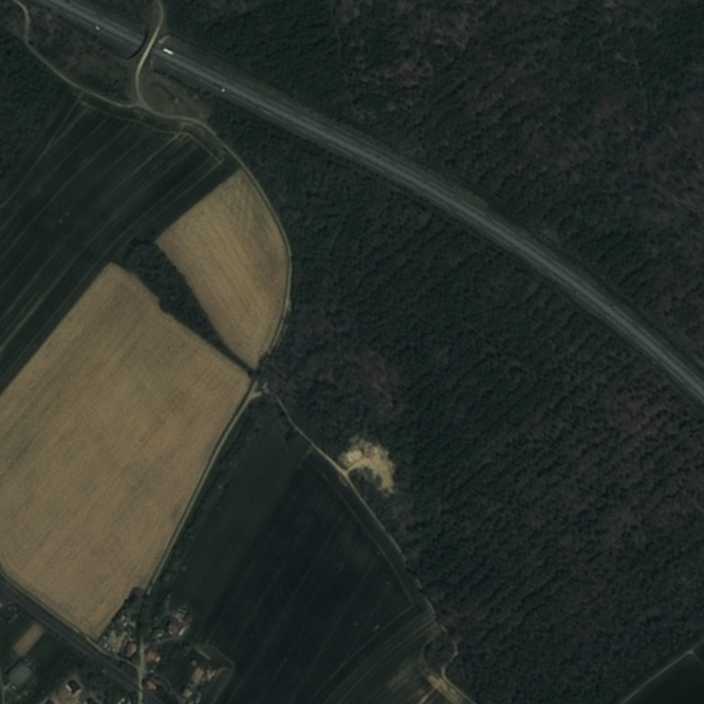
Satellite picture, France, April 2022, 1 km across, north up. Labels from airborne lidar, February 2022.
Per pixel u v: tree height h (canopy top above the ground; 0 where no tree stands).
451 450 15
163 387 0
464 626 7
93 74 0
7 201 0
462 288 6
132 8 0
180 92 0
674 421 14
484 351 15
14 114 17
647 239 13
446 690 0
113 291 0
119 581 0
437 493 12
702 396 0
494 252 11
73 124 0
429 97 12
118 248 0
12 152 11
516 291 14
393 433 15
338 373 11
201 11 20
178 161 0
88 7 0
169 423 0
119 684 0
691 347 0
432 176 0
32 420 0
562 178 22
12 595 0
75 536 0
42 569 0
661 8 21
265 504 0
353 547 0
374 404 21
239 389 0
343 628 0
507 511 11
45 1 0
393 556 0
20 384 0
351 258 14
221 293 0
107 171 0
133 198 0
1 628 0
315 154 11
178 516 0
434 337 16
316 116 0
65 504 0
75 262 0
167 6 0
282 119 0
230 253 0
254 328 0
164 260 21
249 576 0
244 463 0
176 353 0
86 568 0
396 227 6
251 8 26
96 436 0
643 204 25
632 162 10
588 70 20
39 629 0
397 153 0
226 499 0
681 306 25
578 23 14
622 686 9
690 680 0
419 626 0
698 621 14
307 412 15
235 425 0
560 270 0
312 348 9
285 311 0
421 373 15
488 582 12
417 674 0
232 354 0
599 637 8
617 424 11
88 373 0
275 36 10
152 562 0
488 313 11
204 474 0
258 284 0
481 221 0
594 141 25
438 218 10
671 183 12
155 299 0
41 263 0
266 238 0
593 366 9
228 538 0
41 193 0
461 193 0
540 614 12
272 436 0
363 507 0
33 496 0
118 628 7
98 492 0
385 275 14
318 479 0
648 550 7
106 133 0
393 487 0
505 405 17
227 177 10
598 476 11
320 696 0
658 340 0
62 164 0
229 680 0
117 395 0
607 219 25
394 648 0
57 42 0
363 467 0
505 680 18
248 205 0
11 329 0
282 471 0
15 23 0
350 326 21
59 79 6
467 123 6
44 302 0
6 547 0
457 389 11
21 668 0
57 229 0
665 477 14
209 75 0
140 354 0
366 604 0
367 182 9
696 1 23
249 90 0
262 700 0
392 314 15
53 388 0
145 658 0
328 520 0
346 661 0
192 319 10
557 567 15
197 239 0
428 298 10
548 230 0
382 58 12
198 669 0
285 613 0
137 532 0
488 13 6
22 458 0
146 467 0
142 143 0
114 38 0
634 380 9
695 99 25
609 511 14
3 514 0
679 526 10
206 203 0
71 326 0
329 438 18
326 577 0
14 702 0
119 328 0
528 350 15
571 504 7
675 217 27
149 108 0
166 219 0
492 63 21
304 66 14
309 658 0
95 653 0
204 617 0
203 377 0
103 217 0
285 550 0
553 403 14
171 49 0
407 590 0
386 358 18
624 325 0
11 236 0
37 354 0
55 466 0
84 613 0
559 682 15
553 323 13
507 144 13
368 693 0
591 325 13
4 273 0
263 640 0
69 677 0
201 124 0
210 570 0
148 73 0
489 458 11
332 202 19
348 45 11
